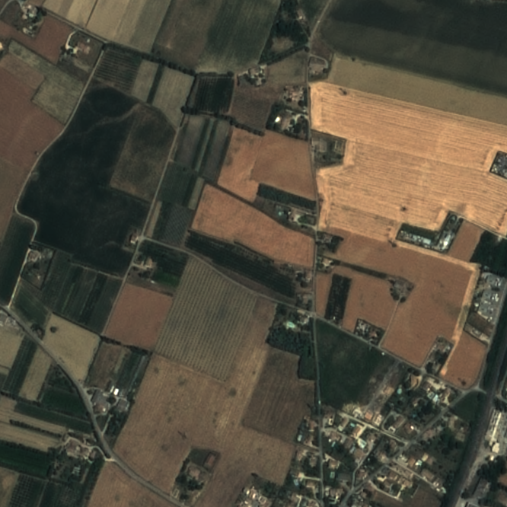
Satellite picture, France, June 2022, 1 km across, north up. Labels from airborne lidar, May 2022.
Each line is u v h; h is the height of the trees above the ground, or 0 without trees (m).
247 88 0
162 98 0
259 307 0
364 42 0
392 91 0
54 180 0
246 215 0
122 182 0
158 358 0
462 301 0
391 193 0
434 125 0
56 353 0
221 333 0
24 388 0
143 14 0
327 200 0
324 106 0
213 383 0
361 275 0
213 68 0
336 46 0
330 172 0
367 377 0
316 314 0
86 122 0
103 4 0
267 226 0
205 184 0
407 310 0
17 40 0
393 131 0
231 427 0
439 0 0
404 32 0
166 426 0
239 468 0
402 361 0
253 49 0
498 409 7
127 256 0
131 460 0
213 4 0
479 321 0
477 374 0
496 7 0
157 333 0
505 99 0
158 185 0
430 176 0
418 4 0
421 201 0
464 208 0
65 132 0
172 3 0
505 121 0
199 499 0
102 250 0
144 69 0
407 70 0
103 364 0
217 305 0
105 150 0
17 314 0
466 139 0
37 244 6
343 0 0
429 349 0
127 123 0
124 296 0
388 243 0
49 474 13
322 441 0
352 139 0
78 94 0
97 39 6
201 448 0
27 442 0
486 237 10
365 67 0
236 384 0
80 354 0
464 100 0
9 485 0
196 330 0
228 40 0
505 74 0
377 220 0
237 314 0
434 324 0
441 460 0
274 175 0
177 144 0
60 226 0
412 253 0
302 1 0
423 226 0
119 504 0
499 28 0
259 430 0
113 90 0
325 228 0
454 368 0
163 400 0
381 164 0
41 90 0
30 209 0
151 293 0
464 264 0
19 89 0
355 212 0
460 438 0
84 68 0
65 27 0
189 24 0
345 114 0
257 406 0
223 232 0
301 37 7
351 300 0
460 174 0
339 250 0
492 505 17
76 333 0
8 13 0
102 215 0
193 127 0
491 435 0
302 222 6
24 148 0
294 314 6
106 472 0
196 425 0
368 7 0
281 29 18
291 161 0
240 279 0
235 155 0
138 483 0
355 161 0
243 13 0
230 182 0
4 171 0
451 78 0
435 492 0
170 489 0
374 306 0
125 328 0
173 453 0
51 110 0
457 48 0
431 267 0
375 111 0
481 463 0
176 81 0
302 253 0
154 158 0
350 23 0
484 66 0
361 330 6
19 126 0
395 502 0
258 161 0
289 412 0
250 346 0
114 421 6
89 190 0
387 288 0
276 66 0
